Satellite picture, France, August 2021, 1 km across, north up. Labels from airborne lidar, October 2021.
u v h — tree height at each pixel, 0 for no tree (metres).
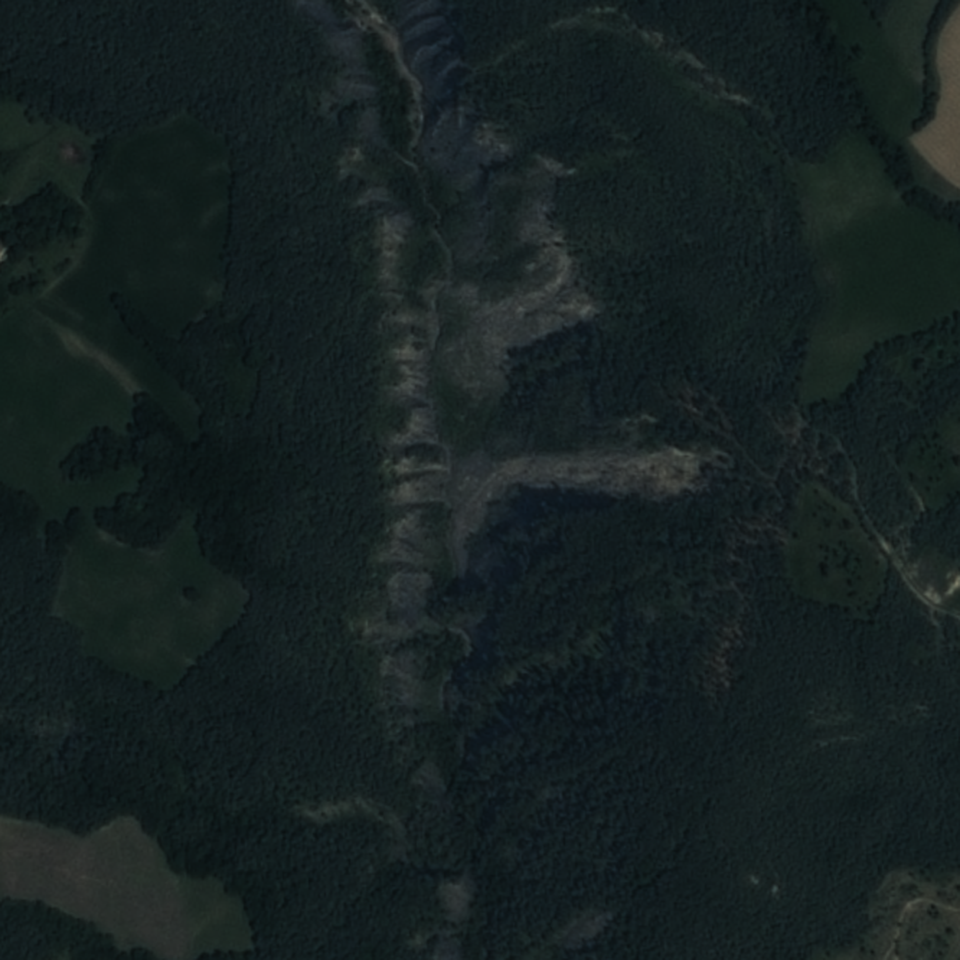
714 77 16
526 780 25
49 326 0
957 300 0
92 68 17
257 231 12
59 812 17
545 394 16
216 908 0
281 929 15
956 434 0
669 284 8
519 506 0
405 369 0
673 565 9
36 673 10
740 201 10
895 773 6
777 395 10
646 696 8
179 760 16
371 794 6
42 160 0
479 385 0
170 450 21
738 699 11
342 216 6
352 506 12
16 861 0
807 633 11
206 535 16
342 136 7
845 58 16
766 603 16
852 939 9
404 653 8
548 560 21
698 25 15
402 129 7
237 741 13
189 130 0
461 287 0
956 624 10
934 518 9
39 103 12
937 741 10
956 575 0
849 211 0
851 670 10
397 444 0
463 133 0
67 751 14
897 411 9
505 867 10
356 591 7
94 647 0
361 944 12
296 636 9
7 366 0
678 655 16
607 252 8
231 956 13
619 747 24
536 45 6
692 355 6
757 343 7
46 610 12
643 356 10
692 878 14
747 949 12
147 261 0
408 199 8
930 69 9
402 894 8
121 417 0
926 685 6
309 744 9
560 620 24
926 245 0
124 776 17
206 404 15
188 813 17
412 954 9
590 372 17
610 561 23
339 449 9
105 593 0
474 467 0
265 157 10
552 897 13
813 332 0
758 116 11
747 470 10
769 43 10
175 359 18
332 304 10
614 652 26
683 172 8
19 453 0
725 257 8
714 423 19
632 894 11
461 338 0
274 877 15
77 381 0
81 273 0
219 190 0
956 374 13
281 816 8
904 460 7
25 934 11
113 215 0
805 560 0
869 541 6
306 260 11
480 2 19
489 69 10
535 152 13
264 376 11
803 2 16
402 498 0
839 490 19
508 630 25
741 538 20
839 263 0
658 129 8
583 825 16
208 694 14
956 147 0
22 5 11
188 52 14
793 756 8
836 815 8
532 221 0
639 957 11
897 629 11
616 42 6
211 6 8
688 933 8
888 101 0
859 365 0
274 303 10
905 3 0
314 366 8
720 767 14
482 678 19
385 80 8
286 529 11
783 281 7
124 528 18
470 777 10
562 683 23
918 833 10
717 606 15
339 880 14
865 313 0
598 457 0
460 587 20
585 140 13
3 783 14
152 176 0
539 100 10
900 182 16
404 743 7
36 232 11
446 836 12
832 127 16
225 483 16
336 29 0
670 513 8
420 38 0
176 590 0
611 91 14
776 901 6
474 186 0
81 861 0
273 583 14
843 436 7
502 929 12
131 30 12
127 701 12
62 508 0
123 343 0
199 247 0
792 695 10
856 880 7
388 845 8
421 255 6
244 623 12
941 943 8
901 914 0
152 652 0
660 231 7
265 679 12
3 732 11
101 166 10
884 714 7
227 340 13
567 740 11
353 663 9
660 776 17
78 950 6
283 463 14
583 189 10
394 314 9
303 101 9
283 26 13
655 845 15
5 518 16
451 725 8
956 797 7
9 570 13
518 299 0
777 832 9
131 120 15
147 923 0
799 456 15
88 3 14
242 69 9
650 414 19
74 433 0
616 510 20
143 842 0
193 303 0
